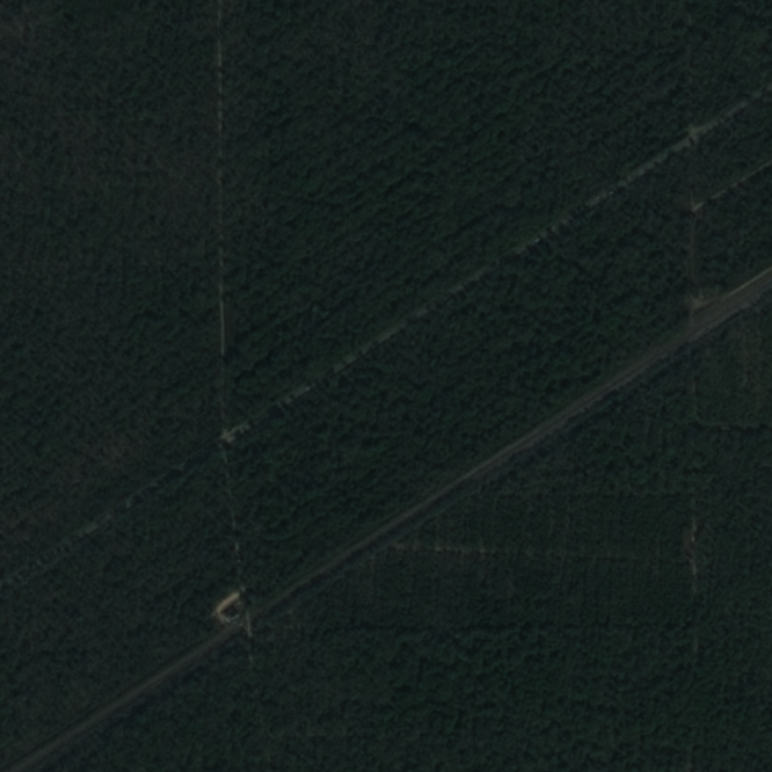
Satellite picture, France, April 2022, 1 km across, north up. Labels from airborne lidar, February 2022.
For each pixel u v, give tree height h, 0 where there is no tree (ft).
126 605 41
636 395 49
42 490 54
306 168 59
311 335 52
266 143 70
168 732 67
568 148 72
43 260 58
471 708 52
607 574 35
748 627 62
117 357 53
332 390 49
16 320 59
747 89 42
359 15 54
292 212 59
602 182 52
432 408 56
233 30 67
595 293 60
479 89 64
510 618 45
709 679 66
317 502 40
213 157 67
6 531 52
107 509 30
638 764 64
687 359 62
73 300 55
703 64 58
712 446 49
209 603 52
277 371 64
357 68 54
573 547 34
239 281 62
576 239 71
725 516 52
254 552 61
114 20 65
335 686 68
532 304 74
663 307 58
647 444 74
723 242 35
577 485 41
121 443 56
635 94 44
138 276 62
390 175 71
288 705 52
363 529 32
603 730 61
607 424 63
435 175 58
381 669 79
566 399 25
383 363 65
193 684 66
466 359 41
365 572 44
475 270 39
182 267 64
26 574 40
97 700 53
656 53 67
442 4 68
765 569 62
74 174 57
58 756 19
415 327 59
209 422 65
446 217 60
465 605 47
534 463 45
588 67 35
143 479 45
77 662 54
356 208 55
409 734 51
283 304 67
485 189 43
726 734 64
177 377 52
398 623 38
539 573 35
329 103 55
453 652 92
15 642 58
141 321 68
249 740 61
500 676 72
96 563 55
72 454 52
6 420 61
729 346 36
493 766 68
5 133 59
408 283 54
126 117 46
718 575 49
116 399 56
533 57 59
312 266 58
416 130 76
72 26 55
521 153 46
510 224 73
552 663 68
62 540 33
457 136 63
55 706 52
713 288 47
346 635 81
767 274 0
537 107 61
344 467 68
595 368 62
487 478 24
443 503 36
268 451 78
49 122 48
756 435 53
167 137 55
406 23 68
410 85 62
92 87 60
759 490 52
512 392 66
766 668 63
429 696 48
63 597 54
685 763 58
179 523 64
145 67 51
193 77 50
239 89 51
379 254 63
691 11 66
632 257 65
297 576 20
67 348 53
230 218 63
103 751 61
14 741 60
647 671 54
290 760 48
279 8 64
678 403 68
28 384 62
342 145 56
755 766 61
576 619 47
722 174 58
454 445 47
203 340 62
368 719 52
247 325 46
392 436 30
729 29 65
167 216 46
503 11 64
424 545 34
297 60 18
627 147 52
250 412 59
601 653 61
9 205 60
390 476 33
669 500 28
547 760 71
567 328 74
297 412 45
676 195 55
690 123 37
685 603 31
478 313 55
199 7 27
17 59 55
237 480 61
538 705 59
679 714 58
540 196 67
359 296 62
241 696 64
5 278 39
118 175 57
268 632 58
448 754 74
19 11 57
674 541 29
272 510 55
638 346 33
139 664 53
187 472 41
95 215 71
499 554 33
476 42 64
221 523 54
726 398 41
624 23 66
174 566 68
